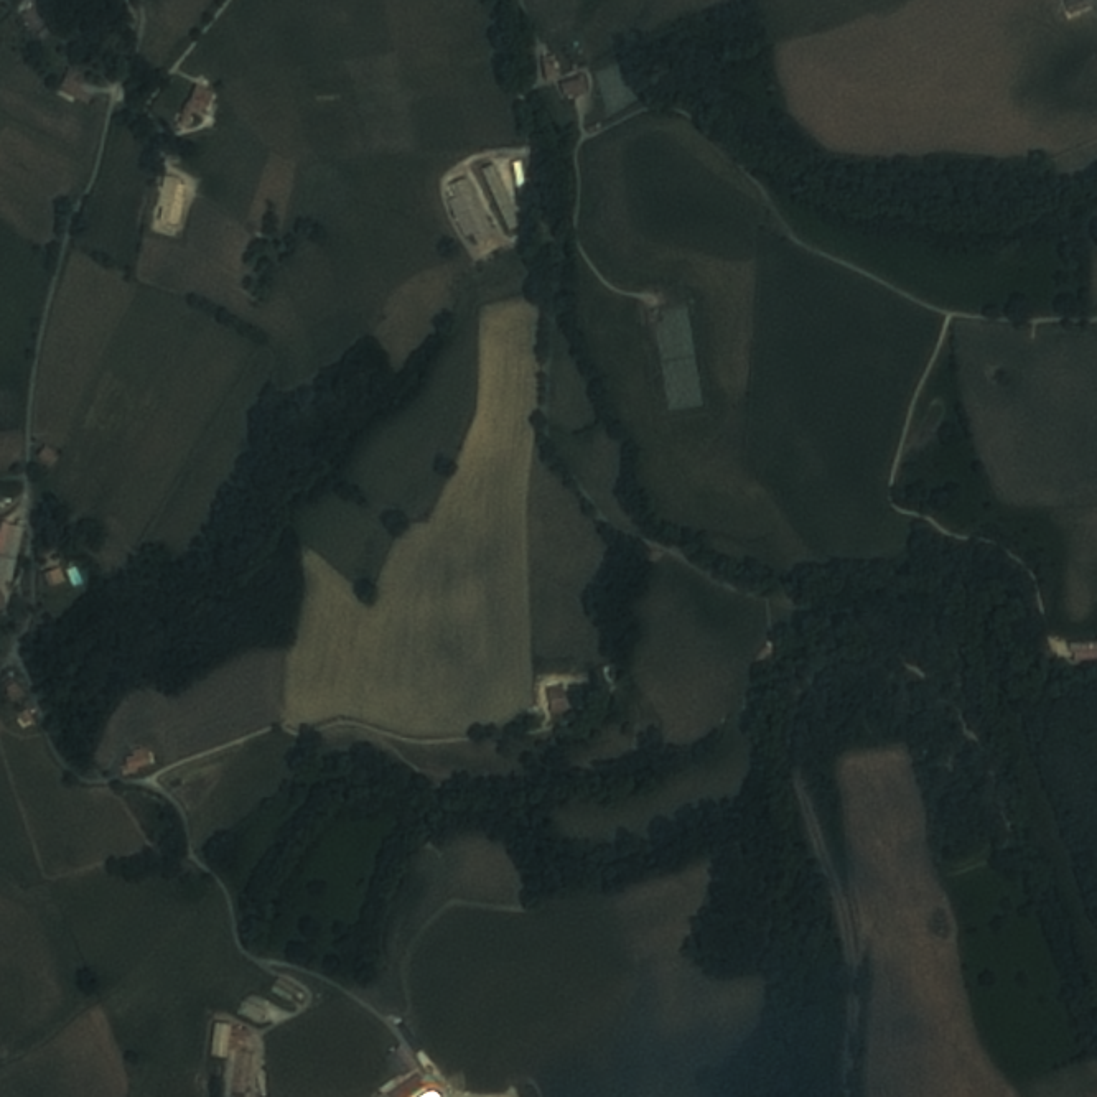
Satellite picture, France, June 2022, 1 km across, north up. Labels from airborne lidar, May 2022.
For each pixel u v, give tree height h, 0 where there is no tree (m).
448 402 0
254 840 0
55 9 14
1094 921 11
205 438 0
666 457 0
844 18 0
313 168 0
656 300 0
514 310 0
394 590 0
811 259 0
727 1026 0
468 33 0
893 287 0
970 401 0
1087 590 0
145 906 0
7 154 0
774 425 0
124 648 24
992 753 18
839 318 0
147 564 12
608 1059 0
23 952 0
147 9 0
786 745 8
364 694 0
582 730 14
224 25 0
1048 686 23
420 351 8
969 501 0
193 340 0
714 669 0
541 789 25
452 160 0
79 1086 0
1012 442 0
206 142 0
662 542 10
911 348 0
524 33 22
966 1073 0
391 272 0
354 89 0
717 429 0
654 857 15
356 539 0
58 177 0
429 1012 0
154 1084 0
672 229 0
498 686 0
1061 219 18
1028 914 7
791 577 14
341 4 0
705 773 0
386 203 0
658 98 25
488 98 0
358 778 15
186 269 0
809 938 16
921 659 20
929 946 0
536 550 0
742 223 0
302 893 0
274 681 0
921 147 0
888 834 0
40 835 0
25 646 11
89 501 0
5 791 0
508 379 0
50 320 0
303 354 0
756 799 14
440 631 0
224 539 15
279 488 29
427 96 0
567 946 0
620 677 12
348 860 0
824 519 0
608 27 0
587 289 0
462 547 0
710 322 0
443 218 0
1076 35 0
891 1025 0
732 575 12
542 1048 0
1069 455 0
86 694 27
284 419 27
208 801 0
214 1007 0
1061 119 0
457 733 0
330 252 0
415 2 0
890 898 0
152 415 0
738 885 24
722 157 0
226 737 0
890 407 0
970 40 0
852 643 27
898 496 10
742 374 0
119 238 0
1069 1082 0
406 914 0
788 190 9
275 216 11
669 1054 0
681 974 0
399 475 0
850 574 22
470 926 0
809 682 7
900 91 0
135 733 0
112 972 0
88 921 0
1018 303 17
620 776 22
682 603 0
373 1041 0
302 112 0
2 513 0
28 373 0
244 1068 0
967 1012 0
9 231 0
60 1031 0
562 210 18
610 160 0
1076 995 19
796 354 0
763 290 0
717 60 21
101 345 0
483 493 0
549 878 13
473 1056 0
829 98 0
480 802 25
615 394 0
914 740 9
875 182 12
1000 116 0
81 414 0
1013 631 27
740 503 0
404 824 12
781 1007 26
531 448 0
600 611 19
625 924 0
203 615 21
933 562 18
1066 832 16
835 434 0
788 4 0
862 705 11
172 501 0
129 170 0
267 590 15
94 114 0
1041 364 0
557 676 0
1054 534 0
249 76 0
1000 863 15
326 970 9
